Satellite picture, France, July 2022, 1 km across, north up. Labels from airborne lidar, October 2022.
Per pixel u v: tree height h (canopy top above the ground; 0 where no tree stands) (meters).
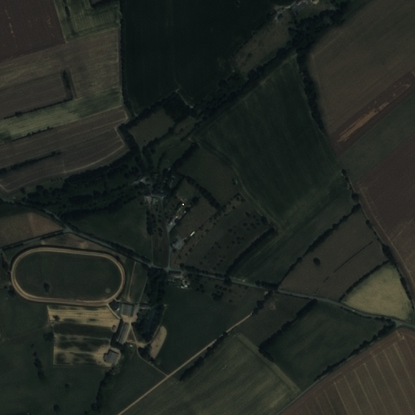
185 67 0
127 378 0
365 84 0
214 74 0
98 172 18
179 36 0
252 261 0
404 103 0
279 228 0
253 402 0
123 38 12
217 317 0
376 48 0
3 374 0
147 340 12
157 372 0
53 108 0
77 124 0
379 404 0
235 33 0
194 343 0
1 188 0
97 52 0
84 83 0
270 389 0
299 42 20
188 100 0
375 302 0
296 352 0
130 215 0
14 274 0
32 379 0
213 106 10
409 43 0
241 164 0
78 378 0
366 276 8
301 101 0
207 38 0
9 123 0
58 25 0
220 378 0
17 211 0
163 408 0
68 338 0
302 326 0
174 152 0
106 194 14
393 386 0
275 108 0
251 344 0
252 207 0
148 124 0
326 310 0
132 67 0
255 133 0
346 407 0
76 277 0
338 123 0
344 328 0
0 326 0
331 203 0
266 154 0
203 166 0
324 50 0
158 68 0
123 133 16
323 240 14
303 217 0
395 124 0
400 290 0
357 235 0
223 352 0
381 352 0
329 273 0
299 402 0
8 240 0
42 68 0
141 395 0
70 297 0
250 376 0
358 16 0
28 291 0
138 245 0
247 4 0
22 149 0
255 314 7
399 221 0
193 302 0
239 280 0
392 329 13
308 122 0
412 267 0
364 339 0
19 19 0
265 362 0
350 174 0
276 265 0
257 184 0
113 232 0
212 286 0
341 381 0
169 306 0
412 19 0
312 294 0
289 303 0
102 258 0
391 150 0
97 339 0
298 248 0
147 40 0
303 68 13
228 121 0
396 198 0
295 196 0
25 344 0
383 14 0
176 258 0
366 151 0
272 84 0
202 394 0
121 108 0
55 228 0
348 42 0
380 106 0
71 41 0
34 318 0
